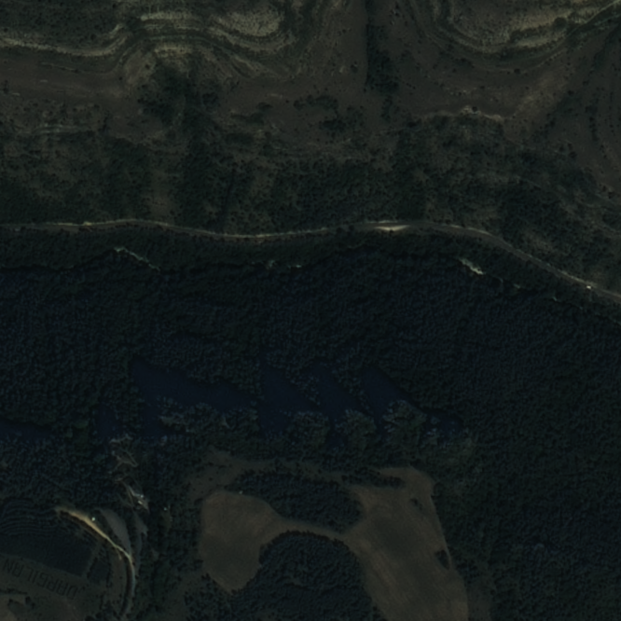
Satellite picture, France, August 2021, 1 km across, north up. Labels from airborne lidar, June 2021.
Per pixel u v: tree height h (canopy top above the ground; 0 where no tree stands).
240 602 10
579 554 12
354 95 0
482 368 22
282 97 0
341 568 14
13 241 8
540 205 8
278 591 13
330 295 17
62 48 0
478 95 0
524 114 0
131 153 7
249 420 9
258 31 0
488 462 14
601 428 6
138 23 10
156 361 18
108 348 14
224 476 0
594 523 18
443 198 7
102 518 12
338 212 17
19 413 18
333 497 17
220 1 7
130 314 15
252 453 6
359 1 0
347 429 6
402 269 14
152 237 14
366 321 14
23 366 15
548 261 13
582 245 8
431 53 0
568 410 13
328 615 11
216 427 8
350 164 9
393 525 0
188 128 13
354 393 9
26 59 0
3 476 8
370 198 14
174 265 10
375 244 8
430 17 0
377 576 0
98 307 14
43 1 7
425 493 0
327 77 0
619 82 0
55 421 14
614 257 9
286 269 14
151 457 9
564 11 0
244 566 0
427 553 0
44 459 9
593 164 0
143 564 7
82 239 13
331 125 7
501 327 15
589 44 0
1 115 7
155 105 10
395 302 17
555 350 15
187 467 9
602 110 0
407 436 7
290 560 12
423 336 20
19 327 18
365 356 11
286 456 9
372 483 6
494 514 9
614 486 16
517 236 7
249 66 0
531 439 7
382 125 0
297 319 17
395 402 55
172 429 16
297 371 13
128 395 12
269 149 7
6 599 0
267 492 15
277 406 13
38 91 0
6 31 7
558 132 0
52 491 12
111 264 12
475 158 10
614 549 15
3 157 8
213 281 17
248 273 15
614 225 8
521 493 14
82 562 11
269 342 13
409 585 0
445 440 7
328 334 14
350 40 0
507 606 10
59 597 0
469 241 10
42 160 7
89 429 7
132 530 10
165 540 14
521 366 18
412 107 0
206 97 9
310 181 10
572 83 0
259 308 15
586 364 11
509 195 11
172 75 6
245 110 0
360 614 9
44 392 13
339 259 22
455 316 17
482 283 24
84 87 0
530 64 0
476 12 0
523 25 0
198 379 12
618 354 16
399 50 0
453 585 0
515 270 12
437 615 0
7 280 13
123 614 9
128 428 13
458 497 9
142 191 8
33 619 0
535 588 13
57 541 12
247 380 7
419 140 7
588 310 7
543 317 20
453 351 15
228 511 0
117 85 0
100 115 0
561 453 12
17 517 8
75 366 10
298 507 12
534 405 7
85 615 0
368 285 12
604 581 9
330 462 15
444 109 0
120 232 12
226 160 11
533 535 14
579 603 11
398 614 0
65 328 17
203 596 10
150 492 14
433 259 23
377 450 14
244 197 6
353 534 0
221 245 11
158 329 15
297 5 0
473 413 16
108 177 6
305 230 12
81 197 9
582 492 11
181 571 8
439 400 15
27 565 0
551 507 12
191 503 0
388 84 7
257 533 0
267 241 9
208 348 16
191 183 7
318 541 14
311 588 10
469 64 8
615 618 12
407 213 10
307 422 8
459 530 10
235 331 8
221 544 0
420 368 16
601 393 8
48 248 9
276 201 6
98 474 12
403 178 12
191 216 9
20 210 7
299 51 0
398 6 6
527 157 6
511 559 8
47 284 17
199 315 14
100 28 7
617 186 0
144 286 16
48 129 10
